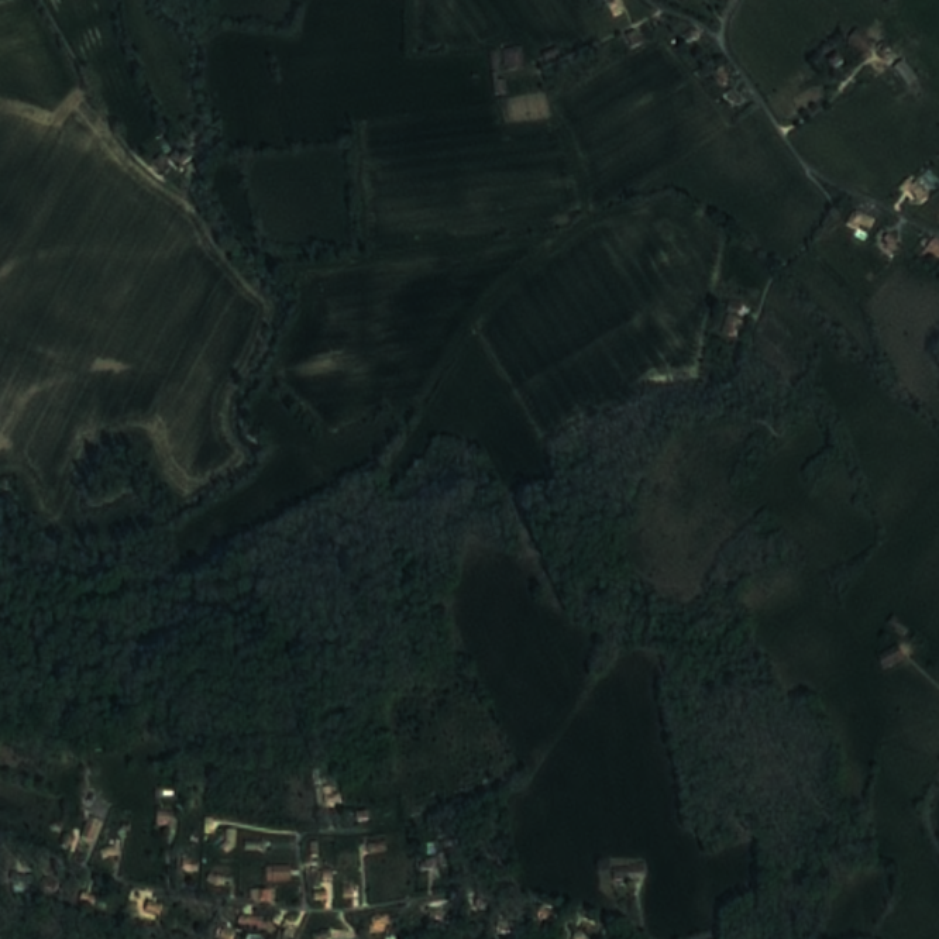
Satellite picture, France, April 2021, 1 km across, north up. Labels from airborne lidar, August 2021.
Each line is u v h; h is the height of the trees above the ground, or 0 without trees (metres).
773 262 11
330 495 10
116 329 0
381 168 0
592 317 0
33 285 0
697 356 0
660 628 9
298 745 8
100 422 0
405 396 0
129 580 23
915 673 0
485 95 0
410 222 0
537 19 0
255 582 25
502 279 0
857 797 0
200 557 0
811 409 9
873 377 12
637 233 0
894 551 0
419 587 37
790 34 0
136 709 20
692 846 0
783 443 7
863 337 0
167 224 0
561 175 0
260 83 0
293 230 0
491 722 7
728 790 20
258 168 0
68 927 19
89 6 0
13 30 0
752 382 16
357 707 23
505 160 0
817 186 0
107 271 0
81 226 0
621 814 0
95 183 0
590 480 22
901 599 0
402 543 24
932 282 0
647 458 17
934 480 0
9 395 0
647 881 0
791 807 17
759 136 0
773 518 7
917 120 0
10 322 0
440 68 0
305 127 0
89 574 19
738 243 11
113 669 27
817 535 0
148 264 0
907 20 0
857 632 0
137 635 15
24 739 22
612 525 21
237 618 16
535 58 0
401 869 0
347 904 0
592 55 13
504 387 0
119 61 0
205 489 11
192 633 32
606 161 0
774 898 26
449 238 0
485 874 17
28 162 0
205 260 0
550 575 19
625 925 21
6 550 19
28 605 31
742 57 0
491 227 0
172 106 0
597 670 19
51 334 0
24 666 14
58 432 0
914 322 0
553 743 0
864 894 0
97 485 37
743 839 23
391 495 18
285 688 25
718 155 0
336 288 0
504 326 0
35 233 0
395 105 0
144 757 0
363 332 0
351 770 23
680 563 0
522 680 0
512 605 0
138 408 0
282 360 0
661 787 0
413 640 20
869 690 0
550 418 0
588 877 0
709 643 13
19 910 18
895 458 0
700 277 0
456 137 0
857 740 0
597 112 0
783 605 0
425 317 0
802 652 0
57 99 0
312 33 0
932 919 0
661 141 0
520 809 0
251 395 25
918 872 0
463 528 14
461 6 0
